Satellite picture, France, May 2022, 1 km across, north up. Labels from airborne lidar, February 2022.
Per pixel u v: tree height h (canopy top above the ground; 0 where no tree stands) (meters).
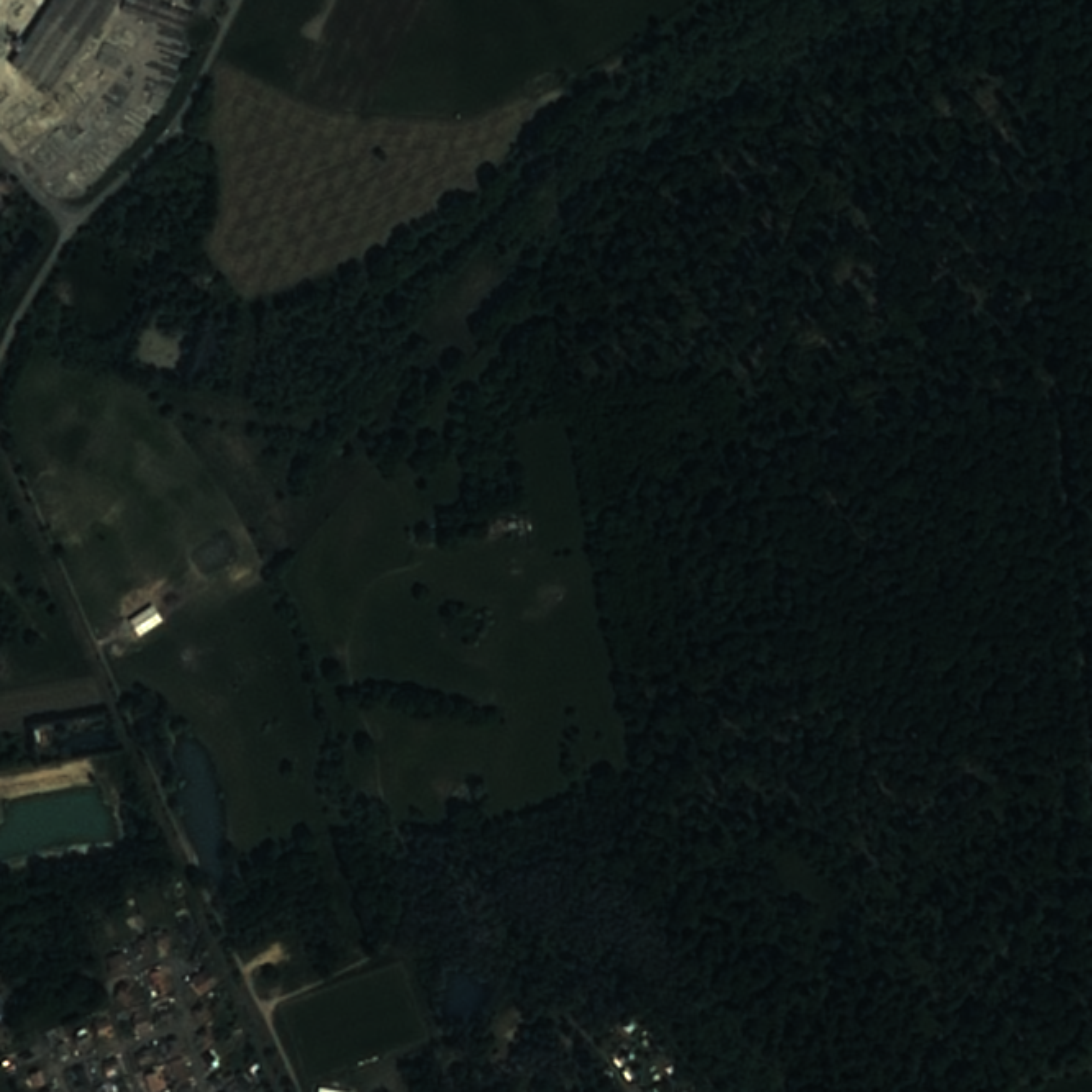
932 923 20
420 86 0
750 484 27
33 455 0
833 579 28
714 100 7
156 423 0
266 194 0
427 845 23
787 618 28
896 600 29
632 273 29
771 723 32
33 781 0
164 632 0
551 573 0
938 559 29
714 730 33
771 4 17
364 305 20
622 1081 0
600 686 0
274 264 0
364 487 0
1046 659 28
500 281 0
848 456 31
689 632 25
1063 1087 0
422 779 0
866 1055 16
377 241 0
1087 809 20
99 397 0
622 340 31
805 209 7
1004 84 34
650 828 27
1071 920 30
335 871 0
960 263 29
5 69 0
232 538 0
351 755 0
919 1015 17
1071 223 32
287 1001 0
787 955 14
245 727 0
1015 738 19
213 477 0
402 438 18
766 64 12
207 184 13
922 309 27
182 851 0
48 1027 0
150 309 13
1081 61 28
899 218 30
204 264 11
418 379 13
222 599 0
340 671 17
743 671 30
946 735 29
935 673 22
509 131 0
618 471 10
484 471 14
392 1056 0
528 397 12
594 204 17
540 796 0
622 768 0
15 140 0
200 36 0
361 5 0
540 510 0
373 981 0
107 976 0
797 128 33
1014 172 30
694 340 0
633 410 9
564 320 25
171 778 10
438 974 15
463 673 0
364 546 0
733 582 26
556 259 13
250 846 0
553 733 0
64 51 0
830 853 22
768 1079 19
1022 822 25
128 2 0
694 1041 15
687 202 30
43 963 18
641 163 19
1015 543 30
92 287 0
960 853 27
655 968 22
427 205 0
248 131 0
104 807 0
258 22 0
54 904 19
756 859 8
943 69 29
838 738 26
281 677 0
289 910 10
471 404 21
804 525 32
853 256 30
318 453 21
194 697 0
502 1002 7
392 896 22
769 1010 27
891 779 30
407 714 9
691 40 12
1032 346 31
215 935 7
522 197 16
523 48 0
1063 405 27
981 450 26
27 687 0
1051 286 27
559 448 0
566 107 17
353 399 19
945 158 31
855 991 30
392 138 0
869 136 34
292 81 0
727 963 23
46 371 0
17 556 0
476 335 13
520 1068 15
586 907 23
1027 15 28
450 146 0
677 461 8
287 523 0
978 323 31
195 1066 0
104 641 0
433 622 0
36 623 0
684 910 28
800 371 30
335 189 0
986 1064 26
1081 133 29
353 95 0
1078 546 29
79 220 0
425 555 0
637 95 21
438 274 16
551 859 21
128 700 14
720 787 29
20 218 8
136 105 0
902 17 19
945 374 30
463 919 26
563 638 0
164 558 0
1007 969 23
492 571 0
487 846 16
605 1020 24
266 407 18
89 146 0
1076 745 27
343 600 0
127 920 0
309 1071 0
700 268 31
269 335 15
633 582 11
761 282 30
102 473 0
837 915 0
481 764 0
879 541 29
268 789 0
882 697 31
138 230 20
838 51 29
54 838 0
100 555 0
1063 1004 26
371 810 23
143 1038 0
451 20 0
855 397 28
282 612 12
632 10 0
